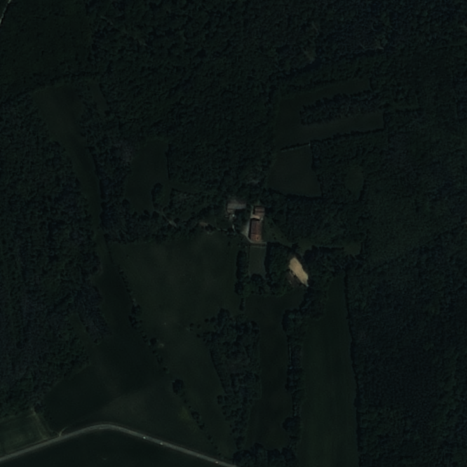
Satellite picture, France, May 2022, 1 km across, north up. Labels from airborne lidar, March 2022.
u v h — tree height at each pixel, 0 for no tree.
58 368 19
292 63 25
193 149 22
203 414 0
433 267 30
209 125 25
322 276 26
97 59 23
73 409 0
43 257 27
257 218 0
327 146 16
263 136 21
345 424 0
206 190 21
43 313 23
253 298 0
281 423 0
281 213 20
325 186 9
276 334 0
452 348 27
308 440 0
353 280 18
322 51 30
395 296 28
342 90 0
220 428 0
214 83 21
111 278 0
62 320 26
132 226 23
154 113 26
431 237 17
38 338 22
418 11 25
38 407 16
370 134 9
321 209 18
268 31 27
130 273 0
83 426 0
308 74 26
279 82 22
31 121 30
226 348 12
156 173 0
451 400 25
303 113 7
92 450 0
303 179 0
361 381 20
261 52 23
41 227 26
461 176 23
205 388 0
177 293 0
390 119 21
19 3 12
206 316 0
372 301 20
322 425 0
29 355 20
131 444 0
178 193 10
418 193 18
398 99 15
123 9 30
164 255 0
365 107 23
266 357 0
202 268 0
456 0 26
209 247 0
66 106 0
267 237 0
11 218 21
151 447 0
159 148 0
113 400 0
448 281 27
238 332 29
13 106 26
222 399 13
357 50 27
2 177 26
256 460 30
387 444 18
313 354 0
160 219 19
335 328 0
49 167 28
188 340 0
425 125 16
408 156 22
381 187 14
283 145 0
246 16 26
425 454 16
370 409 28
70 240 27
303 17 24
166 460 0
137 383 0
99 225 0
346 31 32
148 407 0
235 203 0
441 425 25
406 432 30
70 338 8
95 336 18
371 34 30
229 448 0
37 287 22
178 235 24
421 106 10
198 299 0
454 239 24
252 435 0
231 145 21
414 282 21
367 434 23
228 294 0
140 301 0
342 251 7
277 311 0
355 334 20
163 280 0
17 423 0
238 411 18
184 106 21
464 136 16
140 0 29
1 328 22
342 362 0
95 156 29
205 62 26
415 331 24
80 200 27
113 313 0
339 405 0
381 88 18
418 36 25
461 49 13
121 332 0
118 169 15
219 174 23
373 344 24
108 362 0
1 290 22
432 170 23
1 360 17
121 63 21
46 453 0
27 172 27
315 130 0
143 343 0
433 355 22
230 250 0
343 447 0
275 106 26
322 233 17
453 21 28
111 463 0
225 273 0
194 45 25
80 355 9
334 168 18
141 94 25
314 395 0
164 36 26
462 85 19
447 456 19
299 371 27
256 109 22
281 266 23
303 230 20
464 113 18
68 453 0
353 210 20
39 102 0
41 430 0
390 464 17
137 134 25
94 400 0
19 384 17
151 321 0
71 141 0
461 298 23
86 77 20
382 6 32
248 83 21
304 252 0
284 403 0
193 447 0
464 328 23
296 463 24
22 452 0
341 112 20
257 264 0
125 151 27
